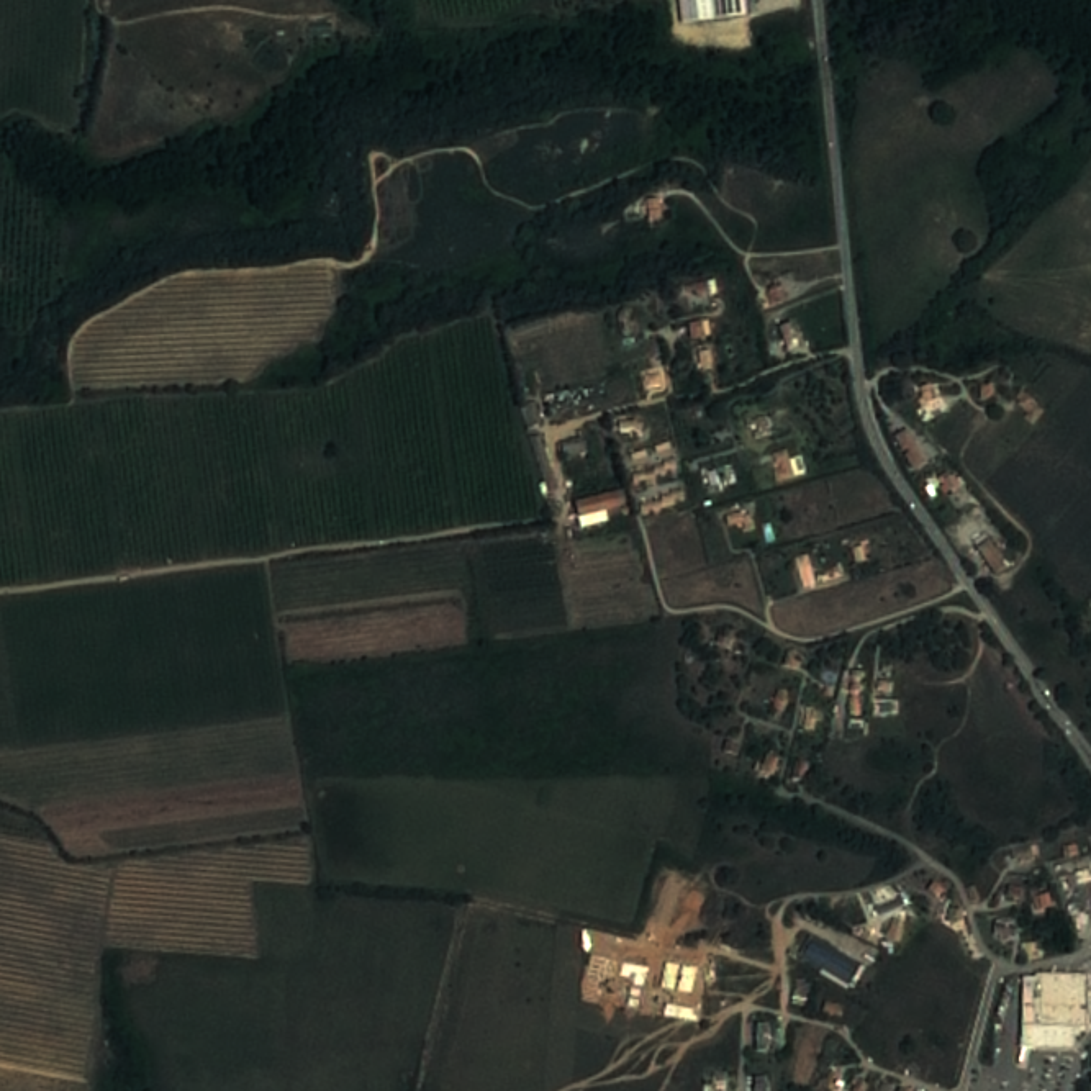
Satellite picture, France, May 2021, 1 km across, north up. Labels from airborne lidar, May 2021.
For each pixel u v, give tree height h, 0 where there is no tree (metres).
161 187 17
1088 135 15
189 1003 0
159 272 8
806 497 0
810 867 0
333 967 0
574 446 0
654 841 0
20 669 0
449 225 0
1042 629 0
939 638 10
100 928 0
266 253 10
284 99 11
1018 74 0
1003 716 0
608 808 0
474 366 0
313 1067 0
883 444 0
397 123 10
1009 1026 0
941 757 0
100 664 0
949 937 0
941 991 0
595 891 0
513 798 0
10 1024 0
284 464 0
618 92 9
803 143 7
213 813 0
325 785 0
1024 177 7
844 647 9
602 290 6
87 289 6
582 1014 0
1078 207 0
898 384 9
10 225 6
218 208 0
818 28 0
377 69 19
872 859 0
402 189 0
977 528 0
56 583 0
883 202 0
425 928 0
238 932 0
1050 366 0
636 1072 0
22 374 10
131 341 0
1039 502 0
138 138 0
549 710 0
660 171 12
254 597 0
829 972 0
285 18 0
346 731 0
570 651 0
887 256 0
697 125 7
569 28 11
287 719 0
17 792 0
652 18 10
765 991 0
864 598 0
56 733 0
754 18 0
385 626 0
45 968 0
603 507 0
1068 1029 0
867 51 8
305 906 0
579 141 0
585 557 0
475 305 8
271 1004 0
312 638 0
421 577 0
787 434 0
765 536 0
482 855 0
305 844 0
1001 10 21
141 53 0
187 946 0
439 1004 0
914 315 0
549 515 5
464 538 7
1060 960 0
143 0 0
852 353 0
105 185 16
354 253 7
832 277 0
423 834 0
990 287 0
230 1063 0
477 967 0
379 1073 0
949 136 0
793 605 0
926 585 0
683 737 0
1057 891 8
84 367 0
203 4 0
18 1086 0
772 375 6
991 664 0
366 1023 0
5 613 0
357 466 0
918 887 0
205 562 0
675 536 0
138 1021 0
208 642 0
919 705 0
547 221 10
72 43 0
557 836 0
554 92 7
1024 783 0
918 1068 0
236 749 0
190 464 0
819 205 0
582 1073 0
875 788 0
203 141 12
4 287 6
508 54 11
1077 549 0
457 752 0
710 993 0
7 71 0
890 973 0
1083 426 0
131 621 0
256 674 0
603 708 0
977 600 0
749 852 0
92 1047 0
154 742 0
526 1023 0
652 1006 0
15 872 0
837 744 0
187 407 0
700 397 7
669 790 0
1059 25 22
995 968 0
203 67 0
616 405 0
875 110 0
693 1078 0
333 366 14
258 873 0
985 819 0
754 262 0
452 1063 0
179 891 0
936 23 35
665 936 0
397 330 7
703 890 0
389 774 0
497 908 0
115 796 0
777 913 0
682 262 7
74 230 0
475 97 14
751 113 17
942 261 0
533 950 0
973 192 0
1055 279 0
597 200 6
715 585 0
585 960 0
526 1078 0
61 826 0
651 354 0
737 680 6
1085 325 0
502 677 0
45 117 0
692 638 9
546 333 0
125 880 0
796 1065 0
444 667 0
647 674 0
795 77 7
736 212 0
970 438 0
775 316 0
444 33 7
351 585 0
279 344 0
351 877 0
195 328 0
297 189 12
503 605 0
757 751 9
